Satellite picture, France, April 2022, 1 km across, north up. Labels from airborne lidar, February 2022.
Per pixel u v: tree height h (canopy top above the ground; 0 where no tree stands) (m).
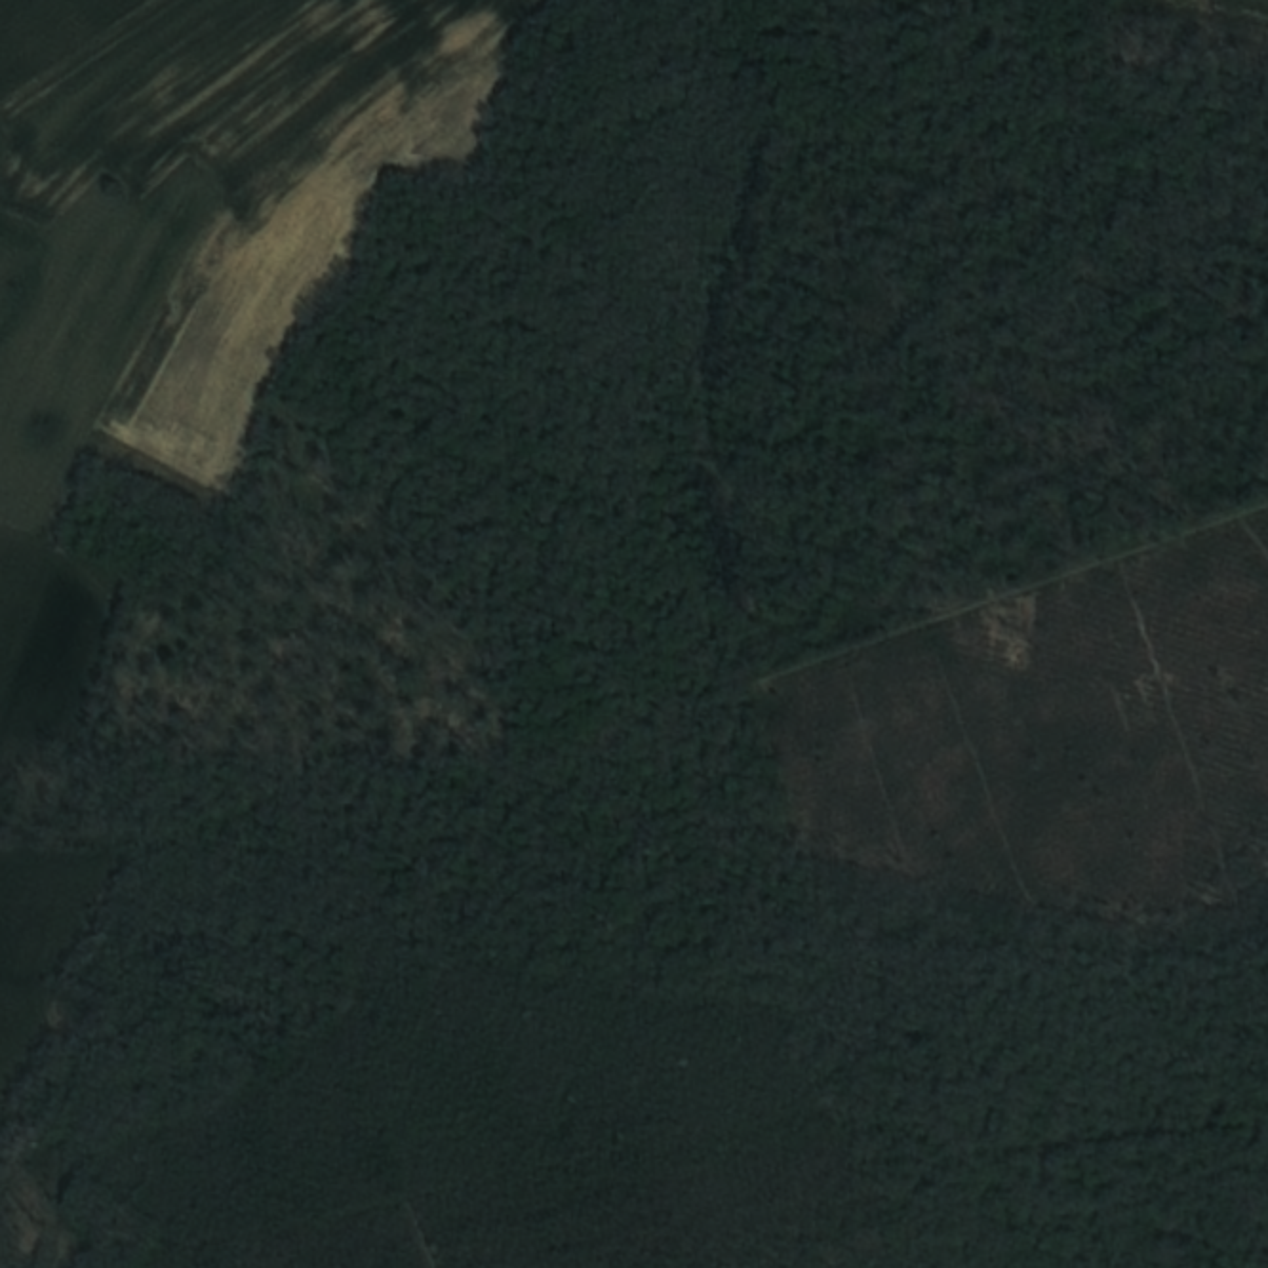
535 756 23
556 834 24
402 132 0
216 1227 16
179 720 25
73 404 0
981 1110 29
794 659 13
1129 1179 29
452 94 0
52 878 0
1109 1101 28
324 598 29
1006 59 23
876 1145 28
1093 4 17
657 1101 17
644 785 21
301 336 17
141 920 21
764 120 17
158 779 28
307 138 0
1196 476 29
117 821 21
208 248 0
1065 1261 23
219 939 24
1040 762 20
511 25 0
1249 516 0
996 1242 29
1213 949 23
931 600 28
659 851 23
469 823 25
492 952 11
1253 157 25
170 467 0
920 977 23
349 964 27
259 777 26
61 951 0
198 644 26
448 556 25
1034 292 25
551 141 28
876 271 27
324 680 29
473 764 21
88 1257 20
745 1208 14
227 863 24
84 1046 21
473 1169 14
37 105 0
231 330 0
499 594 22
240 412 0
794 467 26
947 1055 28
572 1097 17
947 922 19
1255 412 28
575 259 23
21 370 0
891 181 26
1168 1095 28
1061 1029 26
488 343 21
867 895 14
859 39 27
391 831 25
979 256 24
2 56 0
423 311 23
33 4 0
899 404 27
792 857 20
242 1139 19
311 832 25
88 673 0
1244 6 0
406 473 25
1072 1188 25
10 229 0
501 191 26
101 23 0
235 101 0
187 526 29
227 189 0
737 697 24
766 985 28
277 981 27
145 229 0
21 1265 11
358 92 0
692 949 17
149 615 0
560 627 20
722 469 21
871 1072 30
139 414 0
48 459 0
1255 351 27
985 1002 27
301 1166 15
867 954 24
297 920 27
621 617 20
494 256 21
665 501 8
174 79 0
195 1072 11
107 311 0
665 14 22
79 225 0
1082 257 26
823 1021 24
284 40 0
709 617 23
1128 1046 28
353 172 0
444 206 24
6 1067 0
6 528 0
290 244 0
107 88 0
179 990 24
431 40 0
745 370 18
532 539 20
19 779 23
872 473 28
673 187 27
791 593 23
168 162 0
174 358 0
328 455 24
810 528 24
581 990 13
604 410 22
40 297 0
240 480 8
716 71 22
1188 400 27
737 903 22
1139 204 26
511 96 21
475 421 18
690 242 24
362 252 22
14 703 0
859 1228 13
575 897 24
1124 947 22
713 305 20
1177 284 27
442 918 24
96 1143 24
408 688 27
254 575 28
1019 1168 29
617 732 24
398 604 26
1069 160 29
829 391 26
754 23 23
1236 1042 26
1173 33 19
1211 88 29
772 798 20
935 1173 25
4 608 0
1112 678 0
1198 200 25
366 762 24
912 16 22
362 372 23
